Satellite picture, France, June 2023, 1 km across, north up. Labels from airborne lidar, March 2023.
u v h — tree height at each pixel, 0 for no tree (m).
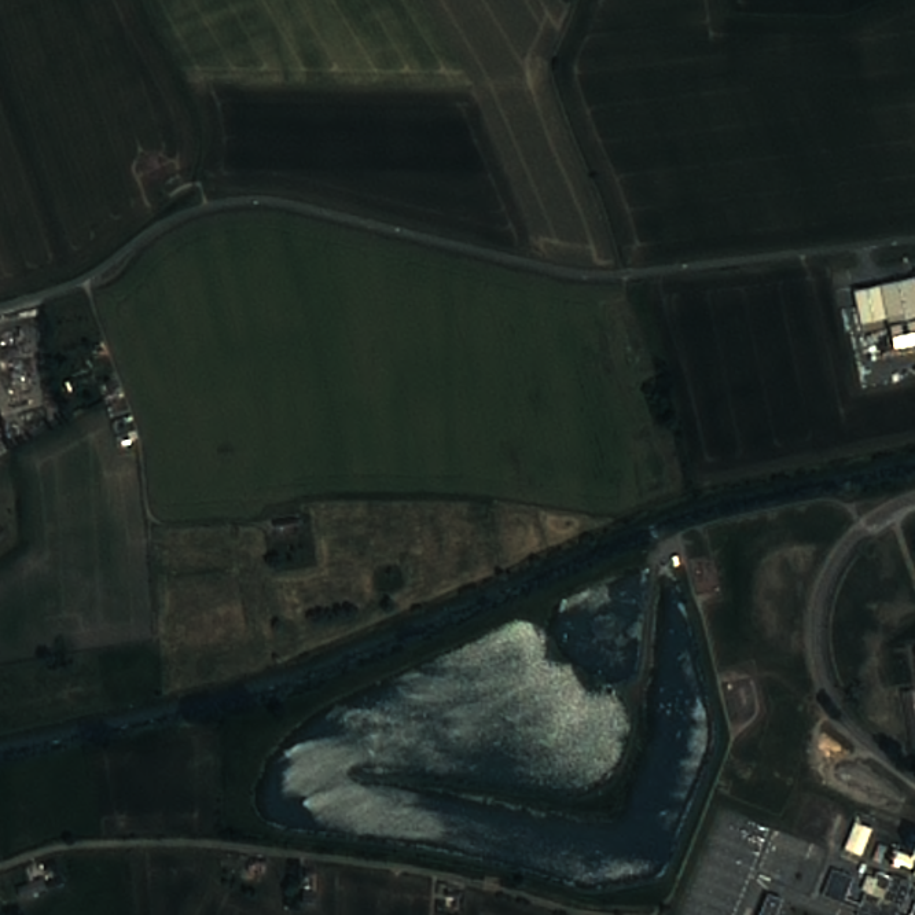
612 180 0
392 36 0
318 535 0
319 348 0
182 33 0
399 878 0
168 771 0
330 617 10
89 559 0
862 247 0
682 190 0
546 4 0
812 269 0
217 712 20
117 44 0
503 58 0
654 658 0
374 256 0
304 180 0
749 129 0
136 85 0
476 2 0
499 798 0
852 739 0
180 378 0
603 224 0
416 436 0
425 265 0
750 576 0
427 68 0
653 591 0
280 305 0
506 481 0
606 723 0
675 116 0
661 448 0
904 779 0
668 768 0
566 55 0
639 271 0
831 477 0
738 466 0
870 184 0
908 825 0
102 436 0
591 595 0
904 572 0
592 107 0
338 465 0
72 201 0
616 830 0
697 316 0
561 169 0
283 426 0
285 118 0
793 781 0
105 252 0
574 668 0
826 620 0
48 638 0
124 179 0
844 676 0
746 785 0
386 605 11
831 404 0
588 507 0
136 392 0
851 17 0
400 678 0
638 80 0
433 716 0
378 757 0
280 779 0
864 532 0
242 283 0
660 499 0
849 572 0
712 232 0
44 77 0
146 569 0
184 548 0
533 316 0
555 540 0
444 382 0
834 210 0
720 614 0
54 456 0
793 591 0
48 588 0
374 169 0
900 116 0
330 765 0
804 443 0
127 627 0
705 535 0
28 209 0
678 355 0
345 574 0
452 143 0
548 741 0
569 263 0
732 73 0
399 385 0
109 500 0
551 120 0
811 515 0
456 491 0
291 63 0
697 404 0
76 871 0
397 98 0
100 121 0
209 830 0
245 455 0
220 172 0
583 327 0
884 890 0
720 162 0
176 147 0
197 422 0
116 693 0
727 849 0
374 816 0
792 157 0
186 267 0
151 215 0
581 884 0
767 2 0
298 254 0
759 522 0
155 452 0
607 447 0
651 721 0
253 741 0
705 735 0
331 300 0
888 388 0
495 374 0
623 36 0
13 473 0
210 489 0
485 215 0
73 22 0
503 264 0
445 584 0
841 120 0
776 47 0
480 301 0
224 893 0
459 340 0
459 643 0
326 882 0
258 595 0
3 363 0
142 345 0
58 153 0
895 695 0
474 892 0
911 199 0
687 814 0
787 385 0
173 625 0
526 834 0
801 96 0
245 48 0
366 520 0
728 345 0
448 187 0
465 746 0
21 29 0
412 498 0
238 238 0
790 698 0
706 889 0
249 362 0
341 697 0
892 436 0
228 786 0
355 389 0
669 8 0
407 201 0
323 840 0
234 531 0
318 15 0
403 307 0
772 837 0
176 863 0
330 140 0
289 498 0
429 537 0
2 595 0
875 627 0
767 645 0
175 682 0
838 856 0
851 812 0
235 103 0
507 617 0
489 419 0
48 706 0
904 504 0
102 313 0
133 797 0
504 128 0
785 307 0
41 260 0
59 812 0
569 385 0
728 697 0
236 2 0
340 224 0
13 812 0
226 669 0
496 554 0
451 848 0
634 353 0
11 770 0
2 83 0
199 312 0
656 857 0
